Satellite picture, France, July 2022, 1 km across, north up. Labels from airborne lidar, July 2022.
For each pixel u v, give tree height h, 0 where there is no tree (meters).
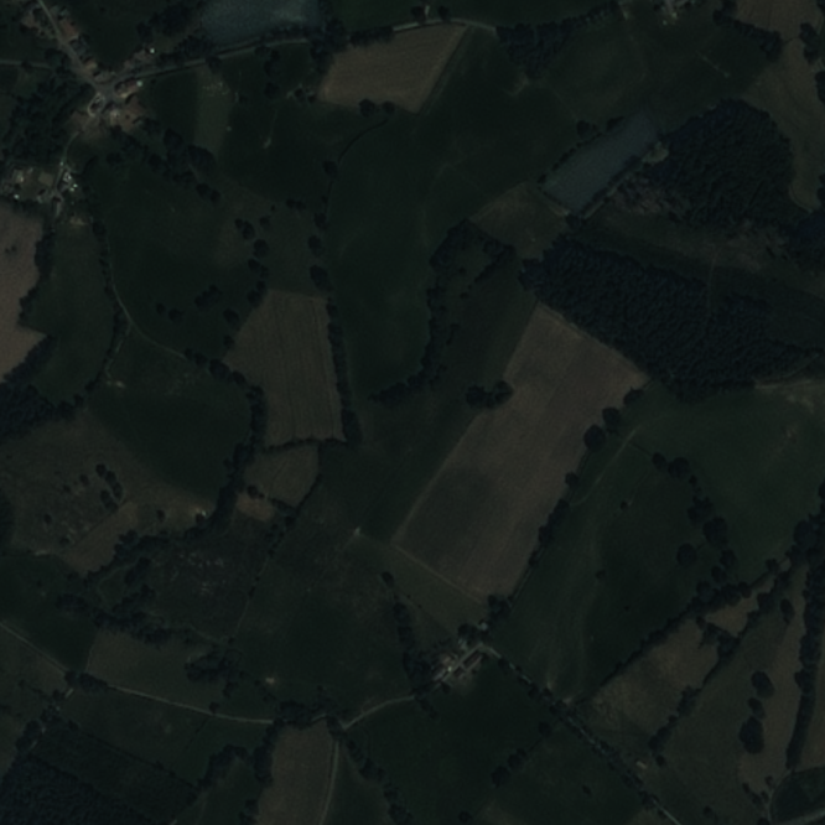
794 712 0
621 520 0
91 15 0
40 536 0
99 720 0
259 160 0
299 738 0
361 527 0
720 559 0
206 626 0
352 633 0
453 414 0
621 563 0
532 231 0
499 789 12
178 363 0
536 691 19
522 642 0
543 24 0
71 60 12
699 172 23
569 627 0
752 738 26
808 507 0
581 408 0
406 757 0
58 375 0
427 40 0
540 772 0
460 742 0
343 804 0
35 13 10
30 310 18
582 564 0
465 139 0
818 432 0
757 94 0
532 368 0
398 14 0
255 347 0
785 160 24
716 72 0
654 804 21
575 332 0
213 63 18
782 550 0
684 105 0
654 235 0
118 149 0
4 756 0
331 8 19
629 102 0
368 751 0
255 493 14
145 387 0
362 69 0
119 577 0
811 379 0
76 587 0
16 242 0
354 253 0
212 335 0
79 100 14
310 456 0
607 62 0
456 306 0
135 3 0
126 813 13
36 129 9
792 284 0
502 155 0
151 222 0
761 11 0
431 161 0
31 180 0
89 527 0
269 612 0
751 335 17
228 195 0
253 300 16
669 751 0
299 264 0
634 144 0
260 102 0
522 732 0
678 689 0
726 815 0
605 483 0
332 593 0
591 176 0
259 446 14
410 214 0
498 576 0
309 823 0
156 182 0
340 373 15
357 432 20
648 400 0
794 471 0
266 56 15
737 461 0
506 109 0
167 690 0
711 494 0
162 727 0
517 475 0
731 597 20
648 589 0
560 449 0
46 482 0
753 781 0
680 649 0
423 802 0
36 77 0
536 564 14
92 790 17
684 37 0
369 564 0
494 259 10
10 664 0
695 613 13
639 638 0
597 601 0
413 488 0
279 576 0
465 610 0
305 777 0
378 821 0
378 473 0
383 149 0
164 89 0
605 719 0
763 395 0
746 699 0
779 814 0
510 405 0
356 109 0
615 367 0
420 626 0
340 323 8
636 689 0
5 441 19
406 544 0
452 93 0
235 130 0
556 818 0
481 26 0
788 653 0
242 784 0
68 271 0
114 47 0
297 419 0
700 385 19
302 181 0
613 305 19
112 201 0
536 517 0
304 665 0
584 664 0
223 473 0
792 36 0
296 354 0
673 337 15
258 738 0
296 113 0
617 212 0
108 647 0
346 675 0
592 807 0
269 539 8
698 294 27
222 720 0
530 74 21
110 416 0
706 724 0
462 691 0
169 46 0
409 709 0
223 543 0
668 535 0
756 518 0
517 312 0
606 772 0
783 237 24
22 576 0
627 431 0
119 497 13
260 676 0
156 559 0
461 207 0
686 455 0
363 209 0
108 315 0
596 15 18
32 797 21
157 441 0
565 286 15
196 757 0
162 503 0
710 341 18
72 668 0
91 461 0
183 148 17
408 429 0
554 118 0
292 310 0
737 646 20
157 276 0
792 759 15
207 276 0
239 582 0
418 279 0
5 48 0
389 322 0
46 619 0
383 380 0
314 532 0
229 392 0
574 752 0
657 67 0
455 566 0
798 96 0
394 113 21
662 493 0
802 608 0
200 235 0
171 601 0
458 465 0
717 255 0
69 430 0
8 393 23
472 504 0
